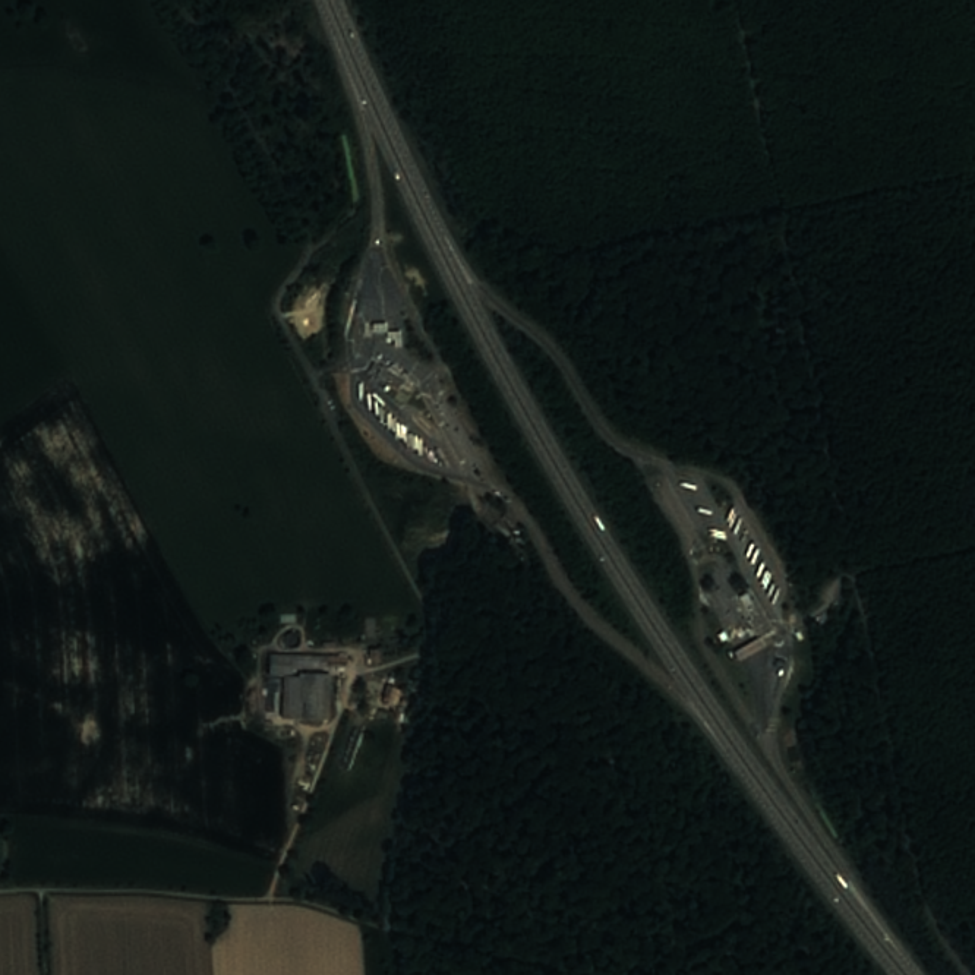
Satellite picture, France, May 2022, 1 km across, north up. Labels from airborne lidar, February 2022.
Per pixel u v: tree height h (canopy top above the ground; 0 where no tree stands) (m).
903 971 0
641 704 26
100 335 0
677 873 30
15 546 0
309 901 7
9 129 0
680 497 0
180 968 0
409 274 0
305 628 0
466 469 0
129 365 0
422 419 0
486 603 29
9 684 0
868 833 23
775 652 0
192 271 0
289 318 0
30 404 0
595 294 27
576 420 16
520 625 24
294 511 0
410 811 29
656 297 32
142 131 0
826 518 24
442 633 29
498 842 26
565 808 31
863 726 21
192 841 0
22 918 0
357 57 0
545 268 19
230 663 0
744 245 26
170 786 0
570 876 27
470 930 17
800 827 0
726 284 29
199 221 0
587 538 0
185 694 0
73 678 0
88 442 0
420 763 23
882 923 0
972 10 13
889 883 20
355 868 0
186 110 0
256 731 0
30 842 0
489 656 28
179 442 0
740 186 14
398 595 0
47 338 0
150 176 0
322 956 0
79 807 0
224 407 0
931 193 19
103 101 0
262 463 0
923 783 19
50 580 0
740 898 29
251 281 0
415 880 28
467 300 0
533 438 0
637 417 25
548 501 13
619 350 32
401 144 0
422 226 0
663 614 0
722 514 0
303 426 0
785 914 25
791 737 0
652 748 23
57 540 0
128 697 0
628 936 26
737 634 0
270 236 0
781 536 23
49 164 0
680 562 13
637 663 0
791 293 30
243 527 0
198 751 0
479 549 30
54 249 0
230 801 0
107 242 0
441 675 21
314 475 0
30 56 0
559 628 22
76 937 0
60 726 0
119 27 0
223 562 0
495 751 33
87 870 0
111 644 0
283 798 0
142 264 0
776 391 29
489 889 25
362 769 0
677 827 19
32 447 0
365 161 0
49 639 0
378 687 0
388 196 0
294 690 0
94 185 0
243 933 0
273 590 0
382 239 0
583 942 28
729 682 0
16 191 0
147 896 0
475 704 26
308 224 18
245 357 0
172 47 0
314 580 0
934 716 19
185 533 0
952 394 18
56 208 0
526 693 31
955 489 15
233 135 15
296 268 0
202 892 0
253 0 6
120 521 0
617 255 27
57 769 0
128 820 0
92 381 0
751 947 26
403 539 0
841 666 23
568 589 0
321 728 0
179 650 0
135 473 0
